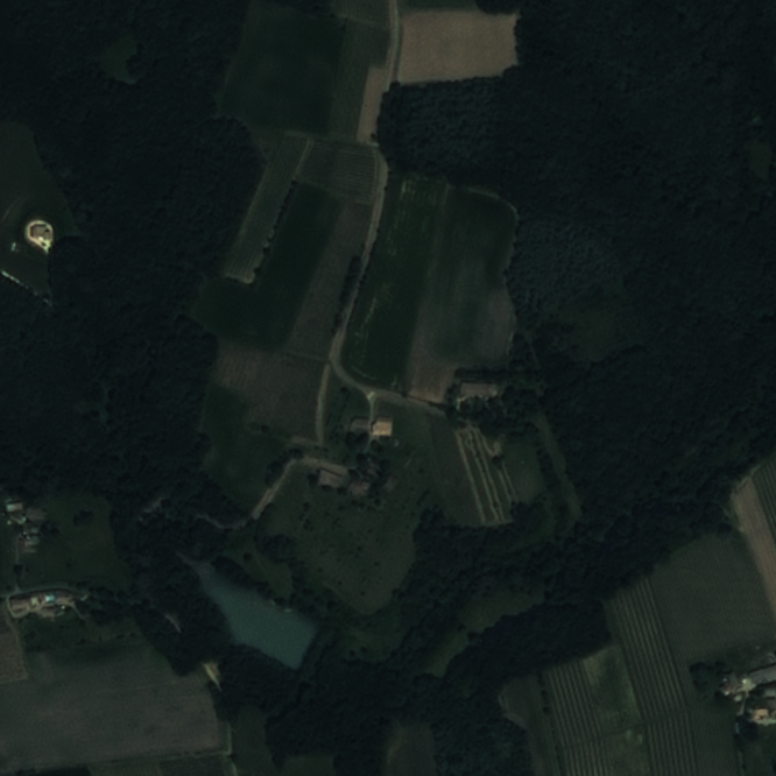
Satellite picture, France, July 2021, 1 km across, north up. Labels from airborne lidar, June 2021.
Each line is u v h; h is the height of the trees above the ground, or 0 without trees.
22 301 21
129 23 22
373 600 0
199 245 24
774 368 29
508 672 15
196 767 0
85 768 0
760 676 0
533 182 19
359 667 20
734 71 40
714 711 0
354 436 10
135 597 10
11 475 20
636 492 16
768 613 0
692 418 13
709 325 20
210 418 0
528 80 20
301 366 0
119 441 20
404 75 0
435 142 21
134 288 18
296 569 11
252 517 8
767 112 17
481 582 33
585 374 6
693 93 23
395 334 0
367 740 21
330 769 0
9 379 17
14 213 0
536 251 15
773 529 0
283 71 0
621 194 25
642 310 22
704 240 20
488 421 15
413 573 8
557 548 11
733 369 24
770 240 23
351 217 0
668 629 0
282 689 22
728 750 0
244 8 20
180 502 20
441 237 0
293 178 0
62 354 17
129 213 14
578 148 26
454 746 16
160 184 18
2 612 0
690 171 21
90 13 21
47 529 11
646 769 0
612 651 0
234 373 0
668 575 0
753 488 0
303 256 0
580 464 17
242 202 22
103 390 25
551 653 18
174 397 24
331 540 0
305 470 0
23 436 19
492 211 0
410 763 0
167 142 13
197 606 14
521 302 14
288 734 16
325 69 0
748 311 19
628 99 30
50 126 20
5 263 0
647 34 20
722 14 21
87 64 20
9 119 9
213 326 0
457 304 0
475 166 12
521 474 0
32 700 0
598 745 0
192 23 28
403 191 0
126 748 0
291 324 0
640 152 24
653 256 21
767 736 0
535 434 16
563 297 14
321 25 0
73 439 10
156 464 16
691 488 7
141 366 24
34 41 18
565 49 13
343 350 0
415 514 7
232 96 0
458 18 0
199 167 22
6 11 24
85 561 0
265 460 0
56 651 0
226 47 22
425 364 0
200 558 18
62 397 15
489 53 0
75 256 26
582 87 21
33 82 23
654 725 0
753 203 19
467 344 0
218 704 12
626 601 0
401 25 0
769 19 20
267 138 0
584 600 20
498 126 18
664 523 23
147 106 16
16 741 0
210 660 12
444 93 17
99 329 25
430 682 21
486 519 0
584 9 19
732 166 29
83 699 0
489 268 0
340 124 0
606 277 19
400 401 0
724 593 0
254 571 0
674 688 0
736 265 19
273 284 0
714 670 6
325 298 0
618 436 23
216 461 0
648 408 25
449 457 0
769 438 16
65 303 22
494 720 14
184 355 24
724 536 21
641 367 25
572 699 0
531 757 14
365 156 0
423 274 0
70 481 13
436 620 22
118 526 16
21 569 10
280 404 0
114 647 0
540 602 0
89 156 16
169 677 0
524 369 10
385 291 0
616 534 21
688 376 23
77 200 20
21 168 0
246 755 0
